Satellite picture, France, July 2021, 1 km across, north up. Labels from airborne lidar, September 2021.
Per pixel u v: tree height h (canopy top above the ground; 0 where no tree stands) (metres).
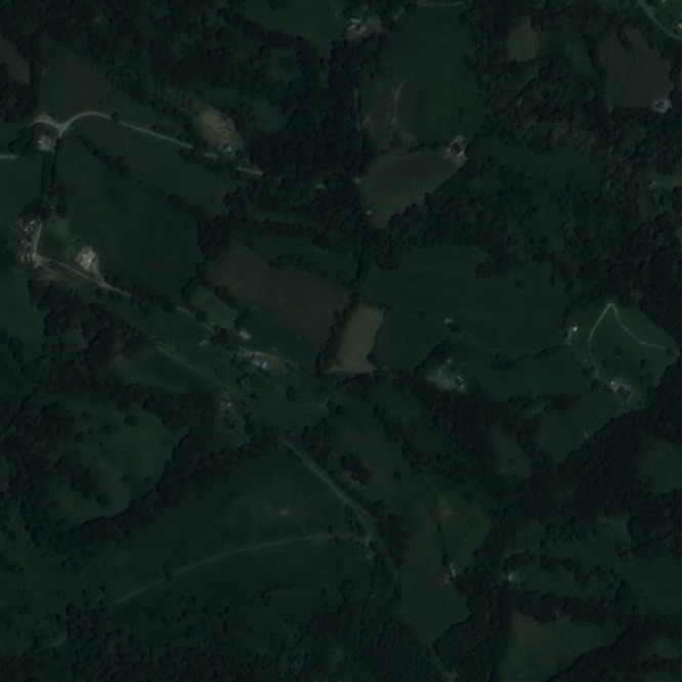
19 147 24
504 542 16
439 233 16
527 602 19
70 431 17
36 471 19
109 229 0
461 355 0
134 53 11
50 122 0
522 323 0
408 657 24
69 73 0
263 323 0
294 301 0
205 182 0
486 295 0
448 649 25
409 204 0
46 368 20
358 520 9
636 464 15
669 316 23
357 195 14
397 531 19
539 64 7
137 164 0
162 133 14
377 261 17
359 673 17
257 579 0
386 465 0
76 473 14
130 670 15
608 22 9
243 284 0
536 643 0
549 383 0
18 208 0
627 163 20
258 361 0
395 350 0
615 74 0
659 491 0
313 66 28
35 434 25
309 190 18
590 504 21
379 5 19
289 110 18
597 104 19
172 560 0
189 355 0
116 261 0
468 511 0
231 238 21
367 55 20
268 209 19
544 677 0
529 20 20
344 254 10
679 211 14
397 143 10
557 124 27
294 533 0
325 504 0
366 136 9
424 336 0
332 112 25
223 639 19
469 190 8
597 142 22
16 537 15
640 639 22
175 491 23
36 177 0
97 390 16
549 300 0
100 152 17
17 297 0
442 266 0
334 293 0
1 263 11
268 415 0
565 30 12
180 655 12
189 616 18
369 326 0
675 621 8
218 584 0
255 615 0
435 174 0
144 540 0
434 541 0
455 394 8
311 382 0
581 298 10
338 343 19
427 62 0
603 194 13
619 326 0
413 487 0
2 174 0
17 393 0
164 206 0
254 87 9
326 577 0
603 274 10
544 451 15
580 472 12
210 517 0
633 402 0
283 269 12
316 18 0
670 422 18
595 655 14
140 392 19
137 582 0
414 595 0
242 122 16
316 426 7
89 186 0
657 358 0
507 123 21
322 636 14
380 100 0
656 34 13
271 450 12
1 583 0
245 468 0
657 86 0
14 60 0
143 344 16
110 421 0
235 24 18
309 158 24
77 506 0
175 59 8
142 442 0
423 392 14
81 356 12
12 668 16
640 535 8
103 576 0
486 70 21
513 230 20
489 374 0
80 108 0
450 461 14
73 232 0
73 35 18
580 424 0
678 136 22
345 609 14
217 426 15
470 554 0
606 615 18
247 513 0
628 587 21
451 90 0
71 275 0
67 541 21
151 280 0
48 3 27
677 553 17
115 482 0
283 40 24
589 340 0
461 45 0
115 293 15
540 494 22
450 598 0
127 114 0
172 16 9
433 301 0
